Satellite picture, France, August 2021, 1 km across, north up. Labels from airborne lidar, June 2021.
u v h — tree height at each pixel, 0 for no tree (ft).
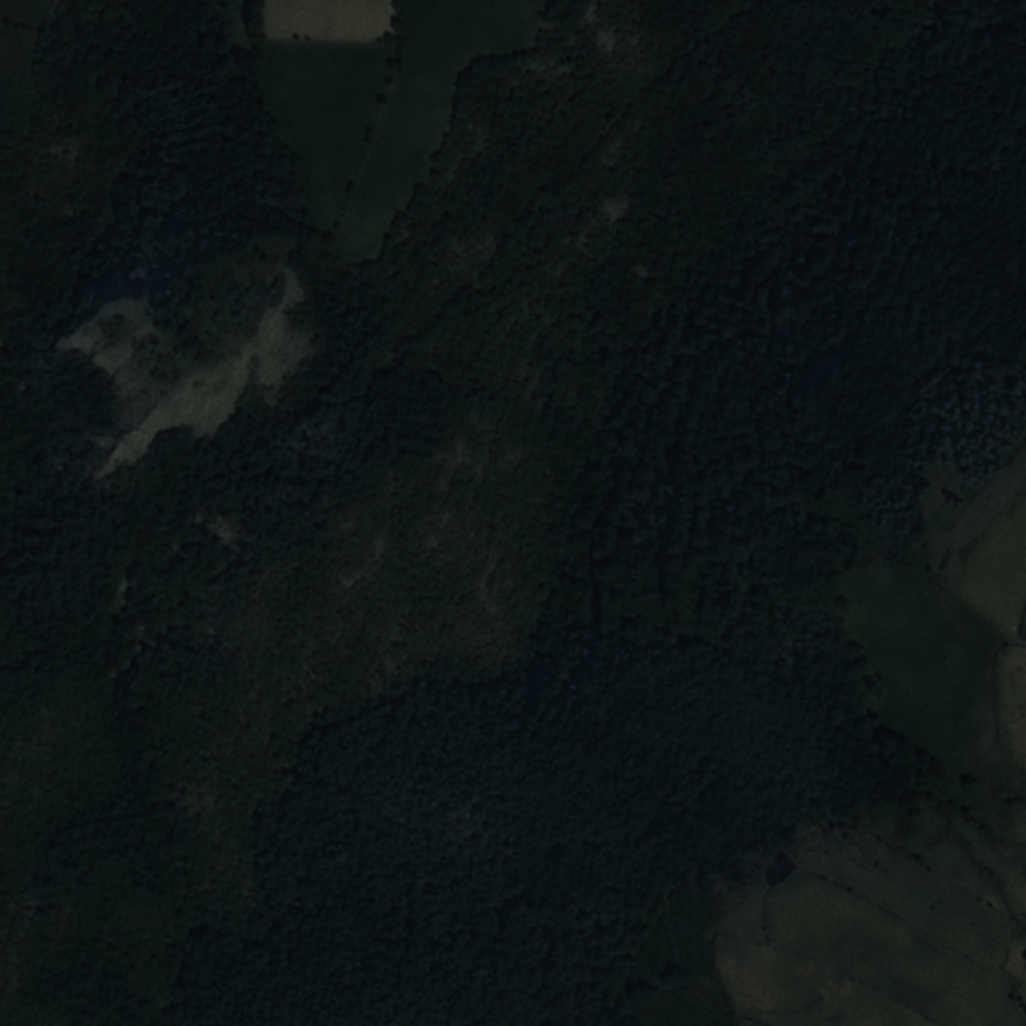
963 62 74
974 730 0
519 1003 55
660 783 72
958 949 0
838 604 48
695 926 0
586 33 34
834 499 0
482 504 53
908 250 66
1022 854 0
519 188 55
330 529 39
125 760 60
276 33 0
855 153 52
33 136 29
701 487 60
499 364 49
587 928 52
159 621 103
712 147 73
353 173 0
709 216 63
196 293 31
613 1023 64
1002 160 72
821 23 50
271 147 31
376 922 100
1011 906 0
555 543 76
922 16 81
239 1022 95
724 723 51
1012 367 62
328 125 0
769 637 57
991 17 54
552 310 55
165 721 61
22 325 85
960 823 0
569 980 54
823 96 79
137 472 46
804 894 0
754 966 0
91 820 56
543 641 109
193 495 78
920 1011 0
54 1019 45
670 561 64
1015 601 0
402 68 25
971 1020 0
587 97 79
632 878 60
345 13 0
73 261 87
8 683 53
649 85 50
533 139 66
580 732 83
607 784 68
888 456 32
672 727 61
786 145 100
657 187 61
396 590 68
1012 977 0
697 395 76
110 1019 47
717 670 61
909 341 71
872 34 74
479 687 69
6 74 0
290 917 107
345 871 92
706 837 61
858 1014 0
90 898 39
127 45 75
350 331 100
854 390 79
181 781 31
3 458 60
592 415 92
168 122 99
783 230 33
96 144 66
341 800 60
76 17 38
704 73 84
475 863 64
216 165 95
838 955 0
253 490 90
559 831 42
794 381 36
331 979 75
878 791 72
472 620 28
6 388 69
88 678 61
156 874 75
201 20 75
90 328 0
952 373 22
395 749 57
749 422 25
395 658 73
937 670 0
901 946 0
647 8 69
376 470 73
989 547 0
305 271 47
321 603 28
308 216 34
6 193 65
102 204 67
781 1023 0
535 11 0
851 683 73
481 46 0
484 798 24
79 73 62
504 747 47
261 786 55
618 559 24
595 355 78
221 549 94
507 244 66
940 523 0
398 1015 57
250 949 82
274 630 40
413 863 75
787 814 35
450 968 87
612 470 37
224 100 73
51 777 45
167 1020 70
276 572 32
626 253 75
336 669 73
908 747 62
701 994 0
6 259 77
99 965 50
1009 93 68
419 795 30
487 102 71
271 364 0
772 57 64
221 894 28
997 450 32
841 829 36
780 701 51
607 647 73
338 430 83
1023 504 0
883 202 72
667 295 78
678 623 26
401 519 71
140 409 0
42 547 78
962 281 68
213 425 0
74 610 63
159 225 46
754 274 68
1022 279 62
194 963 84
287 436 94
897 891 0
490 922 98
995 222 72
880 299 75
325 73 0
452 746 47
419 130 0
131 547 74
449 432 27
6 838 46
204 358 25
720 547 79
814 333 30
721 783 65
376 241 0
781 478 46
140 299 0
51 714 33
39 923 37
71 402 73
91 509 87
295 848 75
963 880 0
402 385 92
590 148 38
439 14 0
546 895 83
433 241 49
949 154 70
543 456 72
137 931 55
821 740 38
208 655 86
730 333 64
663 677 55
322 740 84
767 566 62
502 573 23
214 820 31
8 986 43
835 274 52
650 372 58
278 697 63
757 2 46
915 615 0
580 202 54
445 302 41
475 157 27
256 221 56
